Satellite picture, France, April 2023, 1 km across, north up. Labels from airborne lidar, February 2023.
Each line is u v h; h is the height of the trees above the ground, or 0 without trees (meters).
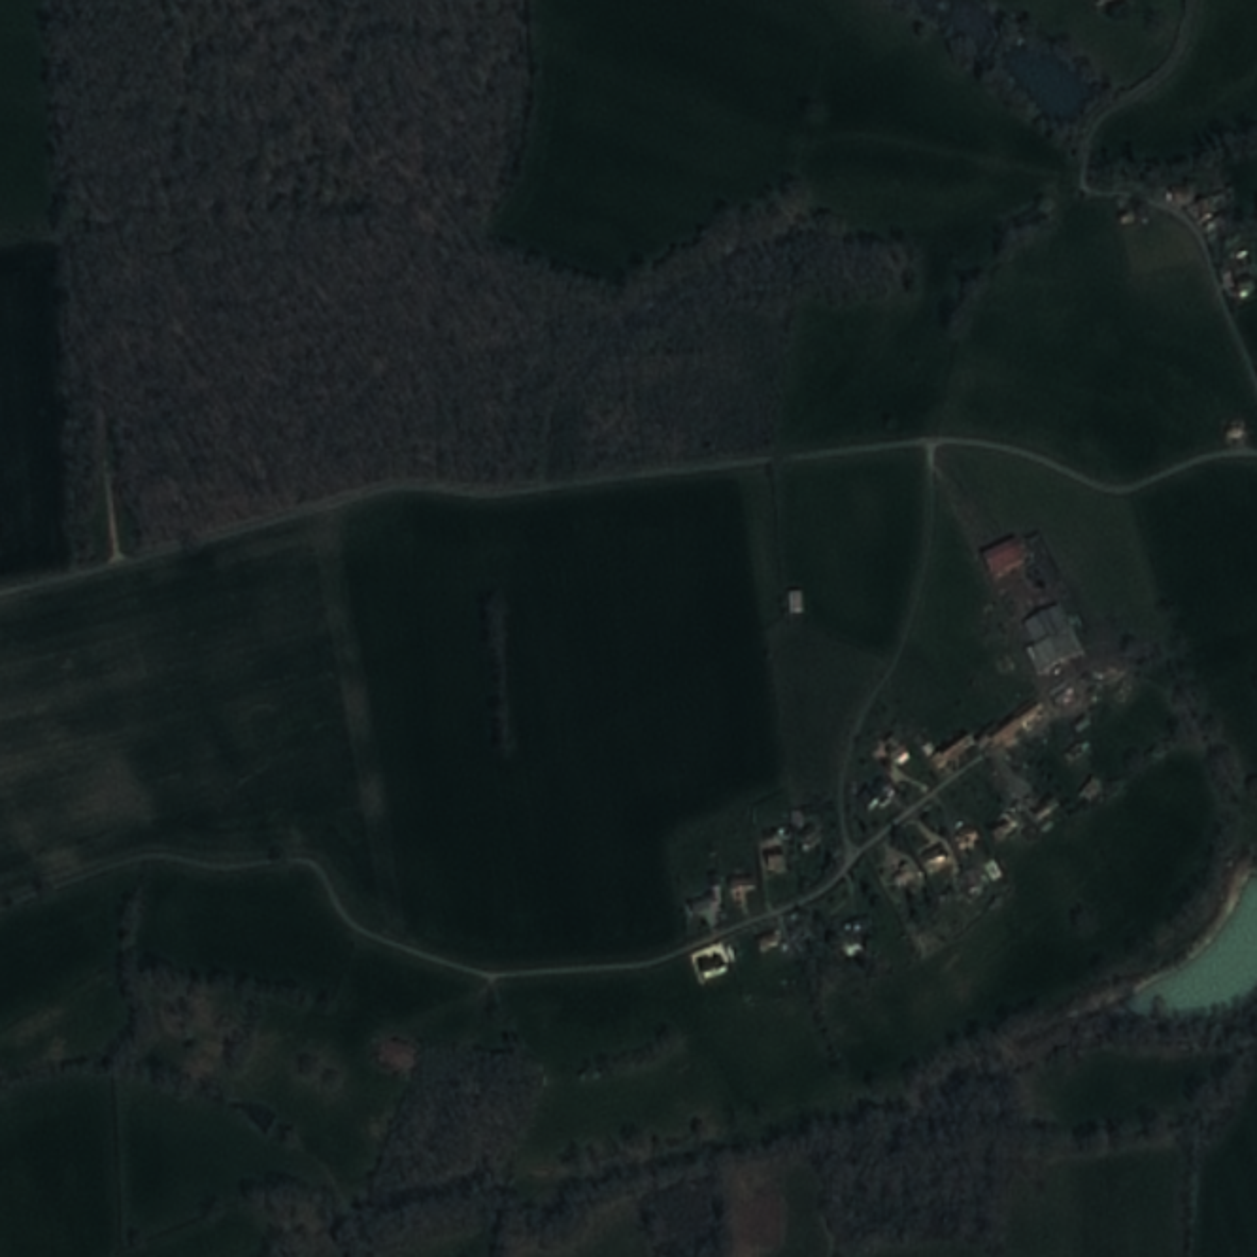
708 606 0
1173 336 0
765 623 0
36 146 0
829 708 0
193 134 19
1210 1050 7
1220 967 0
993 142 0
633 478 0
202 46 7
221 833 0
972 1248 0
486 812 0
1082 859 0
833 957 9
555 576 0
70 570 0
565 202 0
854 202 0
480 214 16
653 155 0
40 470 0
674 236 0
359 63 10
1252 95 0
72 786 0
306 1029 0
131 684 0
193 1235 0
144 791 0
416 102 20
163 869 0
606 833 0
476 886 0
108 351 20
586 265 0
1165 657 8
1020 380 0
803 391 0
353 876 0
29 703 0
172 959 0
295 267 17
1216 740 14
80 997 0
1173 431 0
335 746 0
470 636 0
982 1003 0
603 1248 0
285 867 14
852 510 0
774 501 0
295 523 0
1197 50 0
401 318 16
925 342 0
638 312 18
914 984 0
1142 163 24
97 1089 0
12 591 0
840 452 0
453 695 0
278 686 0
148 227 16
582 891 0
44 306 0
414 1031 0
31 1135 0
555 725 0
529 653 0
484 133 18
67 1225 0
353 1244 18
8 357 0
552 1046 0
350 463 22
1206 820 0
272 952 0
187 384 19
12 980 0
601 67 0
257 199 19
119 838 0
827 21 0
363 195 9
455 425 12
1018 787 0
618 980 0
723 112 0
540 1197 0
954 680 0
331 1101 0
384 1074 0
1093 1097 0
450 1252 0
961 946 0
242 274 21
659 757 0
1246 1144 0
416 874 0
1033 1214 0
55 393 0
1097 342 0
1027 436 0
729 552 0
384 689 0
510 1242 22
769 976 0
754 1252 0
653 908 0
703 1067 0
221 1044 0
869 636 0
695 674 0
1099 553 0
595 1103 0
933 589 0
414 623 0
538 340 25
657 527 0
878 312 0
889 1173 20
